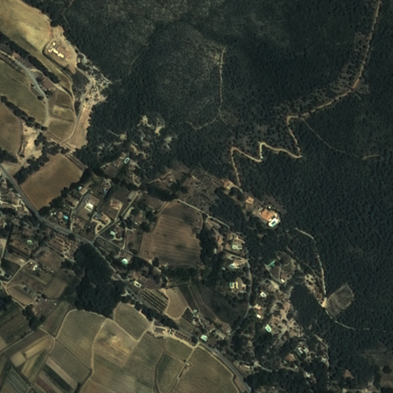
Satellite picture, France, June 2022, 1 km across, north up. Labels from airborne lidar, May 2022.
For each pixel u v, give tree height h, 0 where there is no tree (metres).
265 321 8
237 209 14
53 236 15
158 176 9
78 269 16
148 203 0
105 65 7
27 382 0
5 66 0
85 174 15
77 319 0
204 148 10
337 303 0
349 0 20
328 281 8
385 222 17
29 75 0
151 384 0
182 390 0
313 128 6
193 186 0
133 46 7
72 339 0
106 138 9
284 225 10
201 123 8
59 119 0
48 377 0
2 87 0
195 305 0
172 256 0
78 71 0
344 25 6
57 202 17
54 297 0
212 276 12
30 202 0
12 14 0
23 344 0
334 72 9
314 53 7
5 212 17
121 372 0
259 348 16
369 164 14
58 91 0
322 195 14
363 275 18
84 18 0
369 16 19
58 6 7
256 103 14
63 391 0
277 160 8
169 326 25
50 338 0
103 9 7
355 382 18
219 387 0
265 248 12
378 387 10
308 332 8
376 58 9
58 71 0
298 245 14
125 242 0
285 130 14
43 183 0
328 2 6
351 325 15
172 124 9
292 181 11
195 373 0
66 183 0
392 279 13
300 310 7
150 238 0
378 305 14
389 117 7
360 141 10
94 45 8
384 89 7
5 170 0
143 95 14
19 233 7
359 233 6
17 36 0
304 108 13
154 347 0
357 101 14
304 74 8
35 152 0
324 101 7
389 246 13
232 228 11
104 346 0
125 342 0
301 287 8
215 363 0
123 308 0
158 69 7
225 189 9
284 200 8
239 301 10
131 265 12
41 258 0
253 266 14
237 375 0
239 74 12
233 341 13
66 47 0
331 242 14
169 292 0
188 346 0
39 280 0
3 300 0
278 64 14
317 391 20
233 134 10
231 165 7
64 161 0
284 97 8
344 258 18
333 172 11
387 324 15
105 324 0
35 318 9
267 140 7
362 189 13
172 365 0
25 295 0
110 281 8
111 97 10
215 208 13
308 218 14
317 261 13
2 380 0
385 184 9
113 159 15
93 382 0
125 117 13
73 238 11
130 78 9
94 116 9
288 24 8
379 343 10
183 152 14
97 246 17
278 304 6
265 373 9
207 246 19
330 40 7
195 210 0
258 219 17
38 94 0
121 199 0
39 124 7
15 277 0
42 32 0
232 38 6
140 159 12
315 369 19
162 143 9
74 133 0
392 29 7
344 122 7
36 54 0
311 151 10
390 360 0
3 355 0
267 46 15
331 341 10
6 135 0
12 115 0
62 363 0
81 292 15
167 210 0
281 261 11
